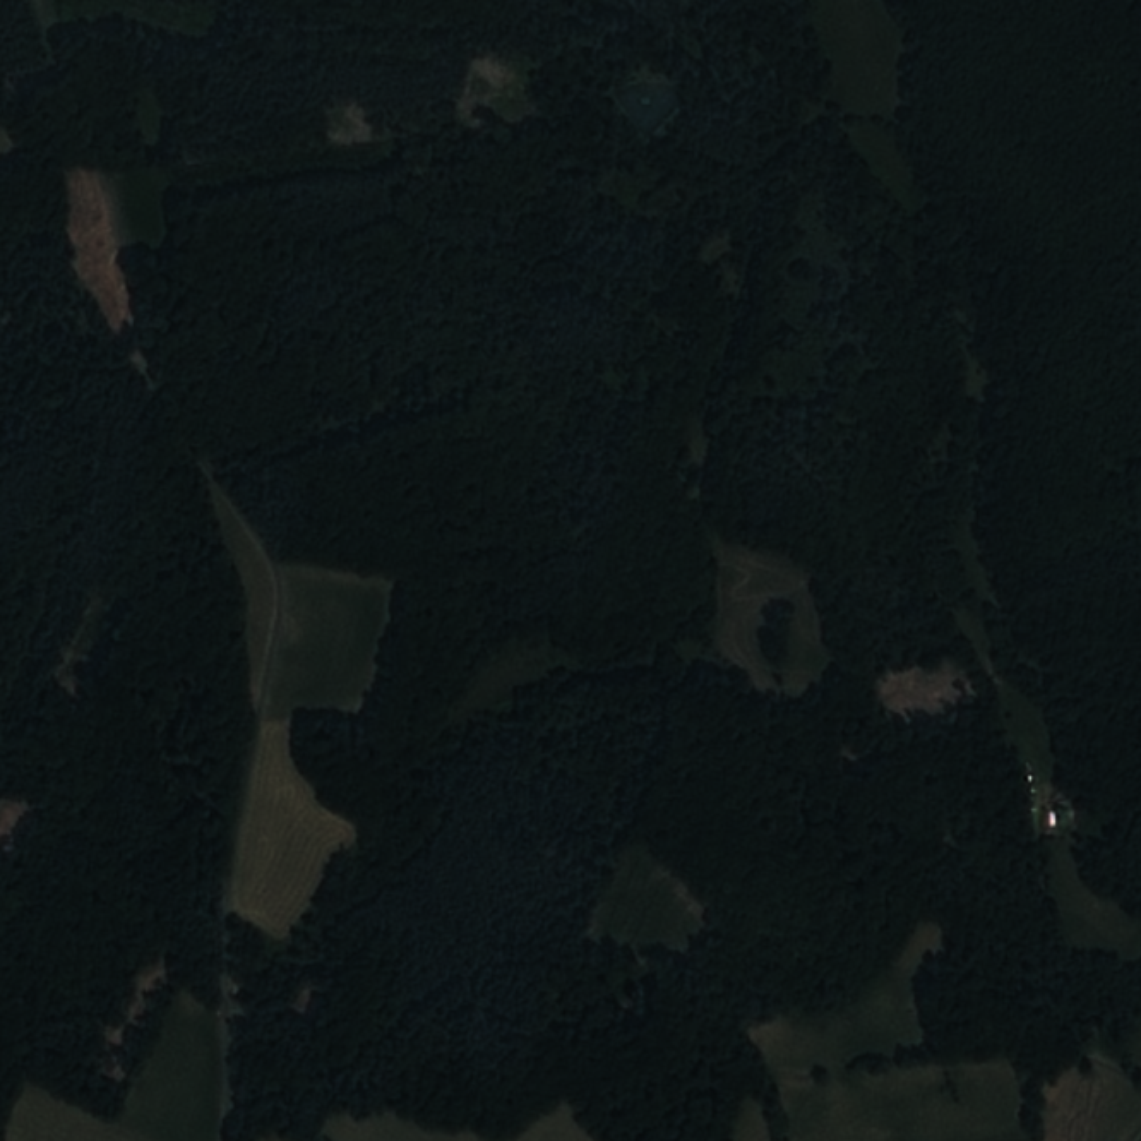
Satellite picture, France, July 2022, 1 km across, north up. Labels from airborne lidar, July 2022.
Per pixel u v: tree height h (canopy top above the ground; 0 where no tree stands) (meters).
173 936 25
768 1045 0
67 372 27
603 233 27
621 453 24
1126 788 20
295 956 18
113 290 0
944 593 15
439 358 19
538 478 22
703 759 28
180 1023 0
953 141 15
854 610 24
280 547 22
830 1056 0
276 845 0
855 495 18
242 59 32
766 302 18
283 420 22
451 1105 23
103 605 0
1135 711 20
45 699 19
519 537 21
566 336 29
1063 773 20
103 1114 18
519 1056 25
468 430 23
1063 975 17
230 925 16
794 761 26
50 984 18
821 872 26
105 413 20
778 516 18
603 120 23
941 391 23
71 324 26
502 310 22
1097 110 19
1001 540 23
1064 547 15
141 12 0
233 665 24
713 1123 27
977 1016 26
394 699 31
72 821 22
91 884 23
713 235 15
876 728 27
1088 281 19
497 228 27
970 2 19
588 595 25
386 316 20
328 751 28
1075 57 21
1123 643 18
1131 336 16
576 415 17
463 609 22
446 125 21
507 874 21
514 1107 26
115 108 26
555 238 16
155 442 25
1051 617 22
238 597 18
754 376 22
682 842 23
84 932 27
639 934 0
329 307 25
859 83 0
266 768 0
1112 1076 0
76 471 16
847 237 17
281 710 0
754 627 0
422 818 21
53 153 18
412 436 22
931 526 17
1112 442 17
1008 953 22
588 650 23
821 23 0
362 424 5
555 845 12
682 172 18
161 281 25
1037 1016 26
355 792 20
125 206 0
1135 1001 14
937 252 15
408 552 28
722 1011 19
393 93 23
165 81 23
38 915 22
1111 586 18
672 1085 30
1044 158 22
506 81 0
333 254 22
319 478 25
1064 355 19
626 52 24
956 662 23
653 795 26
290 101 29
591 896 31
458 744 9
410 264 20
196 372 22
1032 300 21
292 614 0
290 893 0
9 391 18
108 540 18
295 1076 21
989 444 20
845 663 24
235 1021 12
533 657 0
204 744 24
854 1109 0
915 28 22
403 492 25
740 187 14
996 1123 0
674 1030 30
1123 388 17
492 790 20
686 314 18
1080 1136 0
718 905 19
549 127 24
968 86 21
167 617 24
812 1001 16
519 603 25
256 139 27
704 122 27
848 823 29
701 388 18
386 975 21
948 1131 0
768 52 17
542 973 28
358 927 19
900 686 0
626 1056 25
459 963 24
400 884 26
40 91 25
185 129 29
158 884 24
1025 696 10
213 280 23
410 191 19
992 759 21
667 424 25
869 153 0
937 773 23
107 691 25
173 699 25
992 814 19
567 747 21
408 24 26
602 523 22
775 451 18
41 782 18
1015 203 19
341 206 12
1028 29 21
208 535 10
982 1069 0
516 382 23
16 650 19
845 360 12
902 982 0
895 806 27
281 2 24
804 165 23
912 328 18
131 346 23
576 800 27
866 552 20
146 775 22
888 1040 0
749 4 15
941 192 19
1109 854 9
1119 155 21
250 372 23
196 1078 0
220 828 20
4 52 22
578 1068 25
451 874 22
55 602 24
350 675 0
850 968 27
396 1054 21
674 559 29
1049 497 20
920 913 18
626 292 24
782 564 0
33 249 19
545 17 25
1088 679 18
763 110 19
